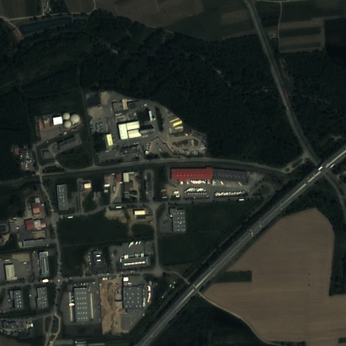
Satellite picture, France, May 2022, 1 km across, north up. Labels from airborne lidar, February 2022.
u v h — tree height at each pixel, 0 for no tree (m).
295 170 0
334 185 0
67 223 0
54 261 0
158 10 0
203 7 0
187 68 21
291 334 0
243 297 0
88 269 0
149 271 0
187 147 0
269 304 0
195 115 20
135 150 0
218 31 0
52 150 0
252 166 0
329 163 0
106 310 0
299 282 0
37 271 0
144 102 0
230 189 0
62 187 0
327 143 0
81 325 0
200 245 0
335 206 21
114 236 0
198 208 0
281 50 0
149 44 21
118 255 0
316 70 0
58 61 0
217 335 0
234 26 0
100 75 20
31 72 0
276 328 0
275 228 0
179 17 0
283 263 0
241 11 0
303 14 0
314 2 0
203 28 0
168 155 0
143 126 0
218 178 0
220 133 17
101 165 0
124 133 0
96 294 0
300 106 15
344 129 0
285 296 0
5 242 0
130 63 23
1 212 0
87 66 12
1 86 0
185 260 0
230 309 0
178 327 6
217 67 16
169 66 17
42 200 0
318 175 0
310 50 0
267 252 0
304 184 0
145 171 0
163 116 0
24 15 0
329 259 0
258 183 0
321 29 0
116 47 19
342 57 0
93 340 0
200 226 0
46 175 0
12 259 0
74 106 0
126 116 0
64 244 0
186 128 0
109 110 0
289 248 0
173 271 0
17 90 21
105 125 0
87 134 0
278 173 0
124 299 0
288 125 0
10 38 0
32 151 0
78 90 0
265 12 0
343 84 0
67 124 0
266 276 0
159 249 0
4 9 0
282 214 0
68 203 0
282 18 0
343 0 0
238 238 0
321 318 0
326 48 0
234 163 0
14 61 13
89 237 0
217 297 0
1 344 0
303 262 0
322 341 0
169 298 0
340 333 0
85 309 0
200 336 0
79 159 0
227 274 0
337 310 0
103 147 0
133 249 0
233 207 0
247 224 18
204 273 0
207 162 0
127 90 11
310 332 0
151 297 0
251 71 21
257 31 0
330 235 0
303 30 0
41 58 0
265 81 19
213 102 24
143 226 0
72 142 0
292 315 0
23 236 0
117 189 0
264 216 0
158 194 0
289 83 0
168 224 0
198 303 0
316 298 0
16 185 0
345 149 0
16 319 0
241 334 0
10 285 0
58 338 0
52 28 0
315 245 0
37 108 0
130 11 0
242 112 0
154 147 0
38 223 0
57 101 0
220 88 16
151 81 13
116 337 0
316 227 0
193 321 7
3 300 0
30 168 0
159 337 0
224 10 0
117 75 10
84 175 0
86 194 0
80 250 0
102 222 0
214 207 0
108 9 0
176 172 0
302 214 0
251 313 0
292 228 0
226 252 0
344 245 0
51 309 0
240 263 0
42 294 0
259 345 0
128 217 0
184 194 0
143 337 0
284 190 14
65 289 0
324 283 0
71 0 0
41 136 0
